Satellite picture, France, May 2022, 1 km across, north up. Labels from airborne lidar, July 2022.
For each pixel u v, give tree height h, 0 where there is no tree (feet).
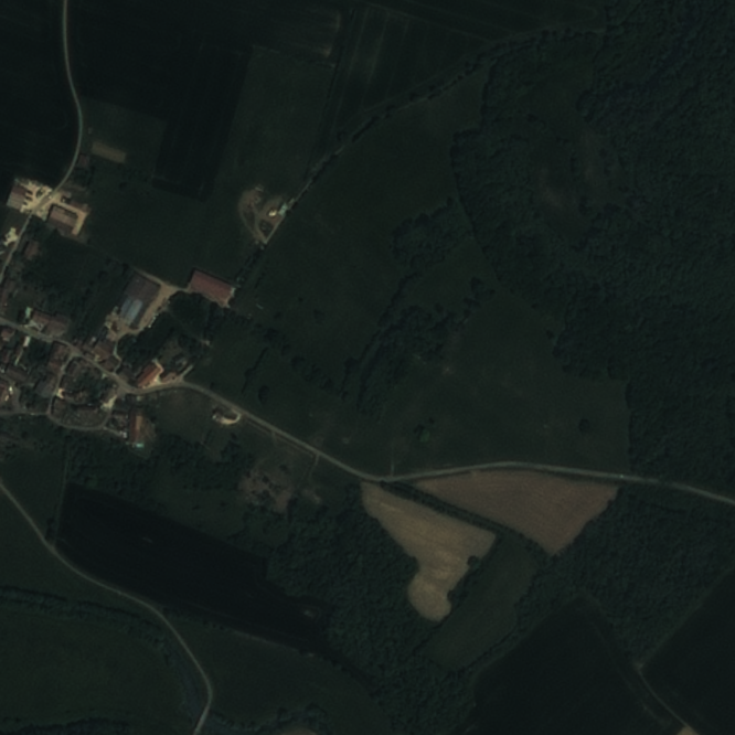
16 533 0
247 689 0
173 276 0
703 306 79
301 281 0
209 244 0
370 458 0
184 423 0
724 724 0
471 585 24
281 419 0
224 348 0
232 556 0
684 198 43
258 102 0
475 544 0
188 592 0
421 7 0
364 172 0
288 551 38
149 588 0
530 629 20
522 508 0
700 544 54
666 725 0
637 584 57
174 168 0
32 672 0
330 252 0
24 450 0
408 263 50
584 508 0
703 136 54
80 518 0
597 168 0
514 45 44
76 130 0
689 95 68
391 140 0
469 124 0
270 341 60
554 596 38
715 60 65
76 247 0
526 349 0
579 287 93
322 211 0
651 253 83
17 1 0
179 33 0
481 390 0
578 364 57
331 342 0
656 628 49
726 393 36
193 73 0
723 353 84
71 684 0
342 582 56
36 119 0
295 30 0
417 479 0
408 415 0
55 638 0
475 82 0
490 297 30
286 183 0
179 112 0
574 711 0
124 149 0
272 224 0
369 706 0
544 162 0
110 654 0
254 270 42
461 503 0
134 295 0
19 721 30
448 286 0
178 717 0
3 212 0
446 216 58
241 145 0
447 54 0
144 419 0
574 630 0
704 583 61
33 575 0
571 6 0
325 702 0
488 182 88
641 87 38
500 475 0
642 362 58
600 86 34
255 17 0
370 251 0
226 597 0
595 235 60
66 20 0
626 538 51
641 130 62
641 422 42
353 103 0
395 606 57
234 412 0
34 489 0
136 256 0
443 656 0
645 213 64
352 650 65
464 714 41
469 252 0
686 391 87
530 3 0
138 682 0
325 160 0
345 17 0
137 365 20
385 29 0
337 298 0
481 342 0
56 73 0
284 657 0
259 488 0
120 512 0
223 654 0
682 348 81
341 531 53
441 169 0
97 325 0
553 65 74
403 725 52
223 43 0
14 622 0
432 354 56
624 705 0
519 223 82
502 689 0
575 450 0
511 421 0
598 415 0
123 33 0
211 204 0
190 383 0
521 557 0
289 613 0
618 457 0
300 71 0
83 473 41
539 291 79
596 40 52
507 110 69
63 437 24
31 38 0
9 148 0
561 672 0
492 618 0
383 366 75
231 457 34
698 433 56
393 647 59
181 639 0
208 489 35
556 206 0
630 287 71
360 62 0
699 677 0
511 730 0
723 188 57
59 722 0
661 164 55
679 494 29
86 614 47
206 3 0
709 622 0
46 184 0
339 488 0
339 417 0
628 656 37
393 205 0
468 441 0
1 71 0
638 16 48
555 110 0
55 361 0
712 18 94
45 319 0
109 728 67
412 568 41
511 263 88
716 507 29
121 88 0
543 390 0
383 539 47
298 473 0
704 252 78
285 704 0
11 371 0
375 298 0
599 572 60
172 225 0
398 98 0
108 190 0
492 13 0
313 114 0
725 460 62
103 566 0
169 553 0
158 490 0
